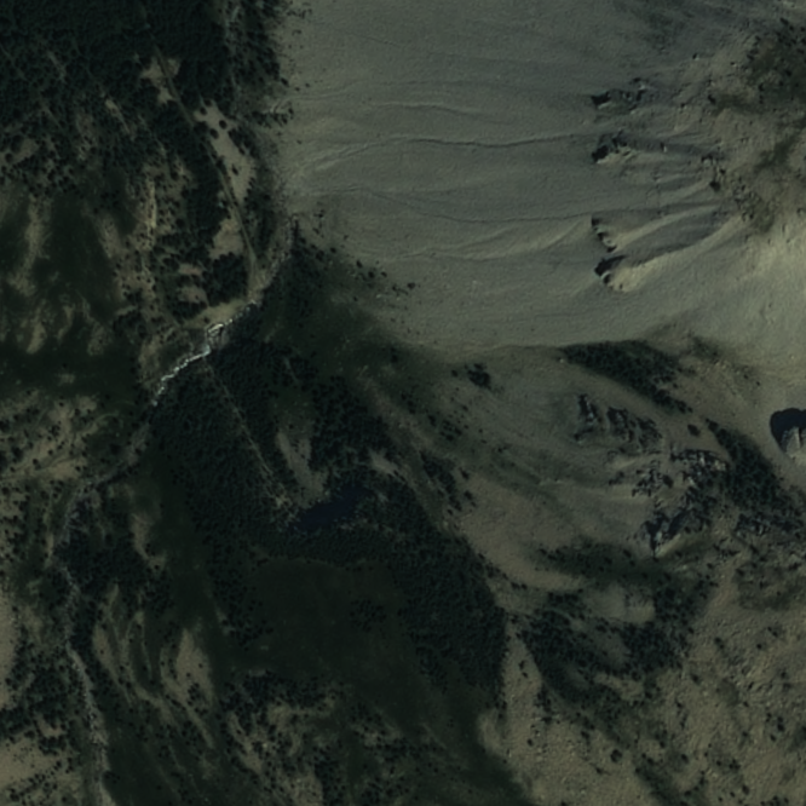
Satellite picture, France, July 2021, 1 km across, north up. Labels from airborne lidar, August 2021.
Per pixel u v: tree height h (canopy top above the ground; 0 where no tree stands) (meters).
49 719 11
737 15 0
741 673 0
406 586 9
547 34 0
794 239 0
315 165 0
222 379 7
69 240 0
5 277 0
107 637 0
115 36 32
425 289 0
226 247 0
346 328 0
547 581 0
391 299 0
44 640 0
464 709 0
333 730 0
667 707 0
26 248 0
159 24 27
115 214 0
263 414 17
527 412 0
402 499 8
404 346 0
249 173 0
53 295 0
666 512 0
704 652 0
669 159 0
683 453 0
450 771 0
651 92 0
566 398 0
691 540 0
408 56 0
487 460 0
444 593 14
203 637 0
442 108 0
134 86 15
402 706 0
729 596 0
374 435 13
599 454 0
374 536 8
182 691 0
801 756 0
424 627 10
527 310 0
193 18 31
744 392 0
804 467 0
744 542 0
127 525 8
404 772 0
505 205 0
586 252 0
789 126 0
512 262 0
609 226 0
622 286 0
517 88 0
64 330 0
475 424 0
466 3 0
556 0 0
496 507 0
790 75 8
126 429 0
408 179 0
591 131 0
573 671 0
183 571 0
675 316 0
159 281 10
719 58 0
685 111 0
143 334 11
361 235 0
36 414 7
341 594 0
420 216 0
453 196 0
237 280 11
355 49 0
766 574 0
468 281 0
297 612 0
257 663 0
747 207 0
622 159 0
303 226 0
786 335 0
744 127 0
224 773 0
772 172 0
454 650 8
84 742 0
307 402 0
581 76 0
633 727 0
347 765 0
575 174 0
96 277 0
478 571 8
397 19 0
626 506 0
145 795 0
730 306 0
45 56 7
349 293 0
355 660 0
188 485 6
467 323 0
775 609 0
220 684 0
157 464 0
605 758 0
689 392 0
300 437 0
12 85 8
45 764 0
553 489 0
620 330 0
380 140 0
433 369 0
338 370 0
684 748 0
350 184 0
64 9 27
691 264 0
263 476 9
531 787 0
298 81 0
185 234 9
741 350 0
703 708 0
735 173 0
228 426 6
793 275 0
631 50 0
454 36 0
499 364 0
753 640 0
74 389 0
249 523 11
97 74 24
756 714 0
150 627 0
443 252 0
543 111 0
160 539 0
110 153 16
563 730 0
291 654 0
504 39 0
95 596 9
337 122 0
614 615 0
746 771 0
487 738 0
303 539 6
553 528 0
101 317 0
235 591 10
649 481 0
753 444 0
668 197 0
